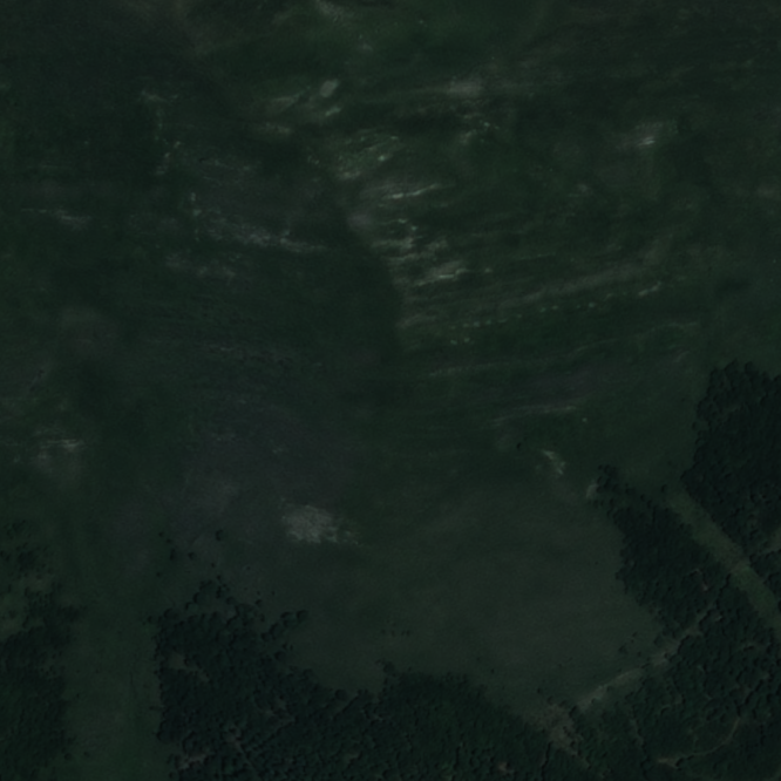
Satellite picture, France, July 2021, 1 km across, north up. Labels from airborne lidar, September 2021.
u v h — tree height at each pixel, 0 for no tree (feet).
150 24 0
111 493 0
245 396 0
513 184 0
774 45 0
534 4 0
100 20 0
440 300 0
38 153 0
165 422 0
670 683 29
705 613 72
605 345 0
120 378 0
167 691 46
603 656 0
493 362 0
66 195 0
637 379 0
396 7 0
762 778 20
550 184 0
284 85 0
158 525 0
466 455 0
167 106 0
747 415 48
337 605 0
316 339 0
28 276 0
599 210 0
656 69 0
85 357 0
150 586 0
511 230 0
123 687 0
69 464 0
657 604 28
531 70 0
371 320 0
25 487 0
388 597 0
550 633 0
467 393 0
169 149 0
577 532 0
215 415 0
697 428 31
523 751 52
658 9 0
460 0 0
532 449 0
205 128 0
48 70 0
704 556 73
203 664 52
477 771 81
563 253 0
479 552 0
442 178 0
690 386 0
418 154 0
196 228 0
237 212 0
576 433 0
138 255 0
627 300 0
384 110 0
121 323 0
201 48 0
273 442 0
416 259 0
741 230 0
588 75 0
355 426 0
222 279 0
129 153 0
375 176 0
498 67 0
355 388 0
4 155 0
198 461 0
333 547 0
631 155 0
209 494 0
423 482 0
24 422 0
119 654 0
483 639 0
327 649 0
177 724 39
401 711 64
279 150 0
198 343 0
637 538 48
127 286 0
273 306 0
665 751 73
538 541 0
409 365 0
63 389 0
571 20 0
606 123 0
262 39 0
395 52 0
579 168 0
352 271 0
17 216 0
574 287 0
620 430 0
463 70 0
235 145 0
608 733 23
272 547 0
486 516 0
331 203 0
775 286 0
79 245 0
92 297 0
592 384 0
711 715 22
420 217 0
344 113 0
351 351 0
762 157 0
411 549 0
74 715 0
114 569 0
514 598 0
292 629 43
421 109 0
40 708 45
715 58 0
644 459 0
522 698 0
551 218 0
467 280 0
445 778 57
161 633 23
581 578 0
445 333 0
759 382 36
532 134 0
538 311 0
